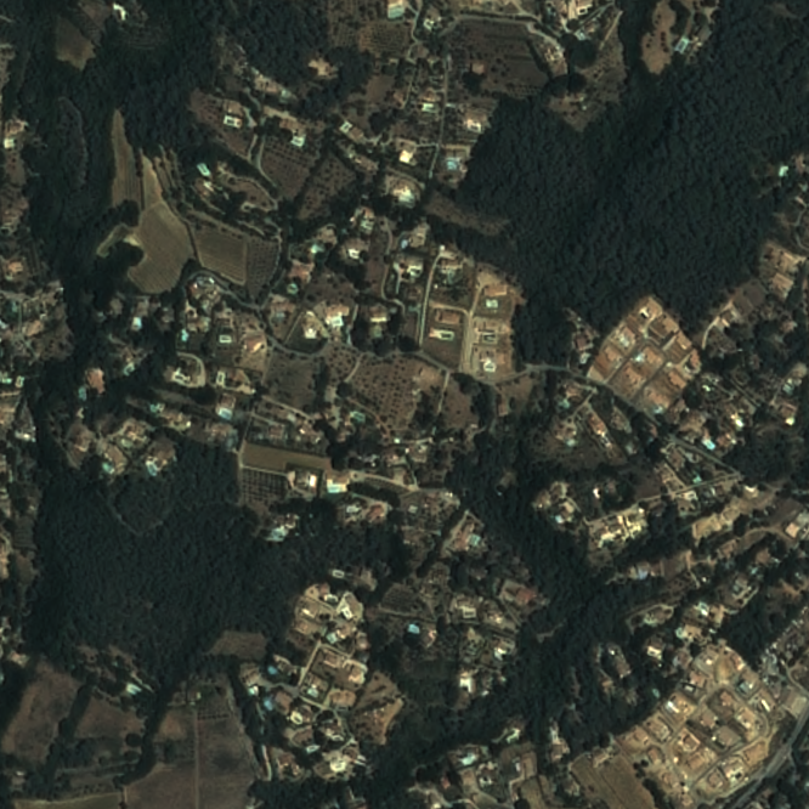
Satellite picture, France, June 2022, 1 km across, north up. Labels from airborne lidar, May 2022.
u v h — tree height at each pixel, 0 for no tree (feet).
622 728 44
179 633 51
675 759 0
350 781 28
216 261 0
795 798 47
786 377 26
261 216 24
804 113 68
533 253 57
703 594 29
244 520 45
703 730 0
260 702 23
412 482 0
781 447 50
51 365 43
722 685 0
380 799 44
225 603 62
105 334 59
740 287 66
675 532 69
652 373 0
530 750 0
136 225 28
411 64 19
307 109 55
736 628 36
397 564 60
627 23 48
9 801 52
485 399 41
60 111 25
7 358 33
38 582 36
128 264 43
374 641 37
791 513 0
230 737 0
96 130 64
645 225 78
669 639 26
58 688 0
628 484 22
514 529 34
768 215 77
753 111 58
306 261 29
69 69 41
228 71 38
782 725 0
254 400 19
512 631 32
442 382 0
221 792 0
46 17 48
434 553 34
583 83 68
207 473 56
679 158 68
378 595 43
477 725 70
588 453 0
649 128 65
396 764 42
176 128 52
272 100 61
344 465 45
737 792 25
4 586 43
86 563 59
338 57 75
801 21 38
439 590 19
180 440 45
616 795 0
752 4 64
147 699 31
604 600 66
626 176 69
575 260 85
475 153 48
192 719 0
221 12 57
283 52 62
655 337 0
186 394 48
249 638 0
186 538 67
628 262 72
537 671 43
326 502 47
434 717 32
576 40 25
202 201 21
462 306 0
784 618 52
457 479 60
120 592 63
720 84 61
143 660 56
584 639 71
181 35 34
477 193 45
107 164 65
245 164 33
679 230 76
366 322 35
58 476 52
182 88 60
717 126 72
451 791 0
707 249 61
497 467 65
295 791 64
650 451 45
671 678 28
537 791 0
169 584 55
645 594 62
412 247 21
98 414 57
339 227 25
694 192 68
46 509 65
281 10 65
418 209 36
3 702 52
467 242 55
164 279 0
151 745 22
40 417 65
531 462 26
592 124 38
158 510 54
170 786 0
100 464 36
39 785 60
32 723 0
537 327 56
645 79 38
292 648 46
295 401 0
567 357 56
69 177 41
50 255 42
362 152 31
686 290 79
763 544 34
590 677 51
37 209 56
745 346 70
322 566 54
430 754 54
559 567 67
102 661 22
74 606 38
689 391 30
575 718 65
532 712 51
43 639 54
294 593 62
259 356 0
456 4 0
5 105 36
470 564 69
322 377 30
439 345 0
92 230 31
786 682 24
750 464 62
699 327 54
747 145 63
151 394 39
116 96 77
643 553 44
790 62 71
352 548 41
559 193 55
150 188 0
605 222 70
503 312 0
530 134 58
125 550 57
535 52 33
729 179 52
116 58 44
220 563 62
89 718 0
